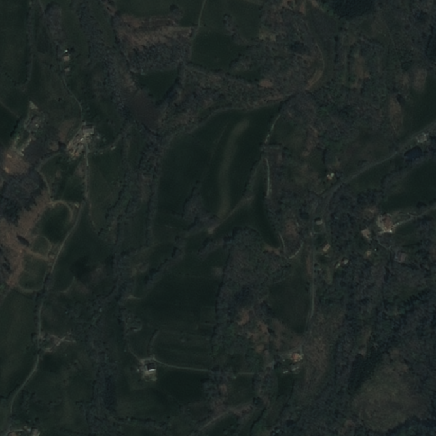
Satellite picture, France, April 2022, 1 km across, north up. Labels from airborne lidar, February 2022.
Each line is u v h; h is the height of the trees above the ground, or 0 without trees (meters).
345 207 26
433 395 27
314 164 0
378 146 0
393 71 7
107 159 0
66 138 0
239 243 21
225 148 0
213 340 13
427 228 21
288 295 0
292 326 0
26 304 0
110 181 0
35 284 0
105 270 0
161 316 0
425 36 18
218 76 21
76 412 0
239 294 21
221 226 0
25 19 0
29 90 0
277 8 21
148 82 0
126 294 23
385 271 0
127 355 0
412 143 0
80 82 0
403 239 0
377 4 28
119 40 19
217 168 0
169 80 0
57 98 0
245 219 0
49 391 0
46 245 0
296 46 21
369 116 23
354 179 0
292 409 26
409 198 0
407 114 0
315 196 21
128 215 12
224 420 0
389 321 18
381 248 7
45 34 0
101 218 0
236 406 0
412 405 0
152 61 24
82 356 0
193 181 0
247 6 0
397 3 27
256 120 0
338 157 14
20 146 0
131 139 12
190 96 0
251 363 23
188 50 23
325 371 15
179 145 0
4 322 0
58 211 0
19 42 0
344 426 7
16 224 15
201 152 0
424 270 12
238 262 23
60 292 0
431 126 0
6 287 26
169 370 0
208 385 27
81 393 0
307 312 0
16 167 0
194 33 17
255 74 0
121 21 26
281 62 15
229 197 0
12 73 0
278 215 16
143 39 25
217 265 0
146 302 0
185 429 0
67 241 0
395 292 21
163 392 0
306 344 9
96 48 20
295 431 29
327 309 13
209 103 31
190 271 0
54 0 0
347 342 23
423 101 0
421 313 26
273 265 29
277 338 7
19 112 0
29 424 10
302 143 0
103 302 17
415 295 0
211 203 0
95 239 0
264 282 27
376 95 25
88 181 0
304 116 26
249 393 0
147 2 0
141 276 0
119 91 23
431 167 0
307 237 25
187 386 0
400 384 0
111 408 26
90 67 12
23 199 35
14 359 0
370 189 0
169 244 0
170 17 0
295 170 0
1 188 0
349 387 22
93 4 0
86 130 0
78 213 0
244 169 0
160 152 21
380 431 0
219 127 0
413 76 12
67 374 0
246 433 0
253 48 13
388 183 18
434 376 23
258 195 0
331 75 0
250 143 0
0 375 0
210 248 20
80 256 0
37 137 12
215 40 0
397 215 0
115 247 12
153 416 0
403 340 27
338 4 14
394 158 0
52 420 0
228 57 0
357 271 23
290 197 26
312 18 0
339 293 18
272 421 0
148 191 0
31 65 11
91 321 9
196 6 0
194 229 20
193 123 8
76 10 12
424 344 26
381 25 0
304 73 22
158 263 0
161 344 0
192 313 0
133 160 0
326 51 0
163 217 0
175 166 0
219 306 16
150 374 0
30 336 0
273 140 0
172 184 0
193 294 0
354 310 26
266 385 21
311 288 20
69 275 0
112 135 0
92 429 18
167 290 0
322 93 19
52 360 0
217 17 0
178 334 0
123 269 21
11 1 0
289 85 24
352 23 20
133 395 0
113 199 0
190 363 0
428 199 0
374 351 9
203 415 0
